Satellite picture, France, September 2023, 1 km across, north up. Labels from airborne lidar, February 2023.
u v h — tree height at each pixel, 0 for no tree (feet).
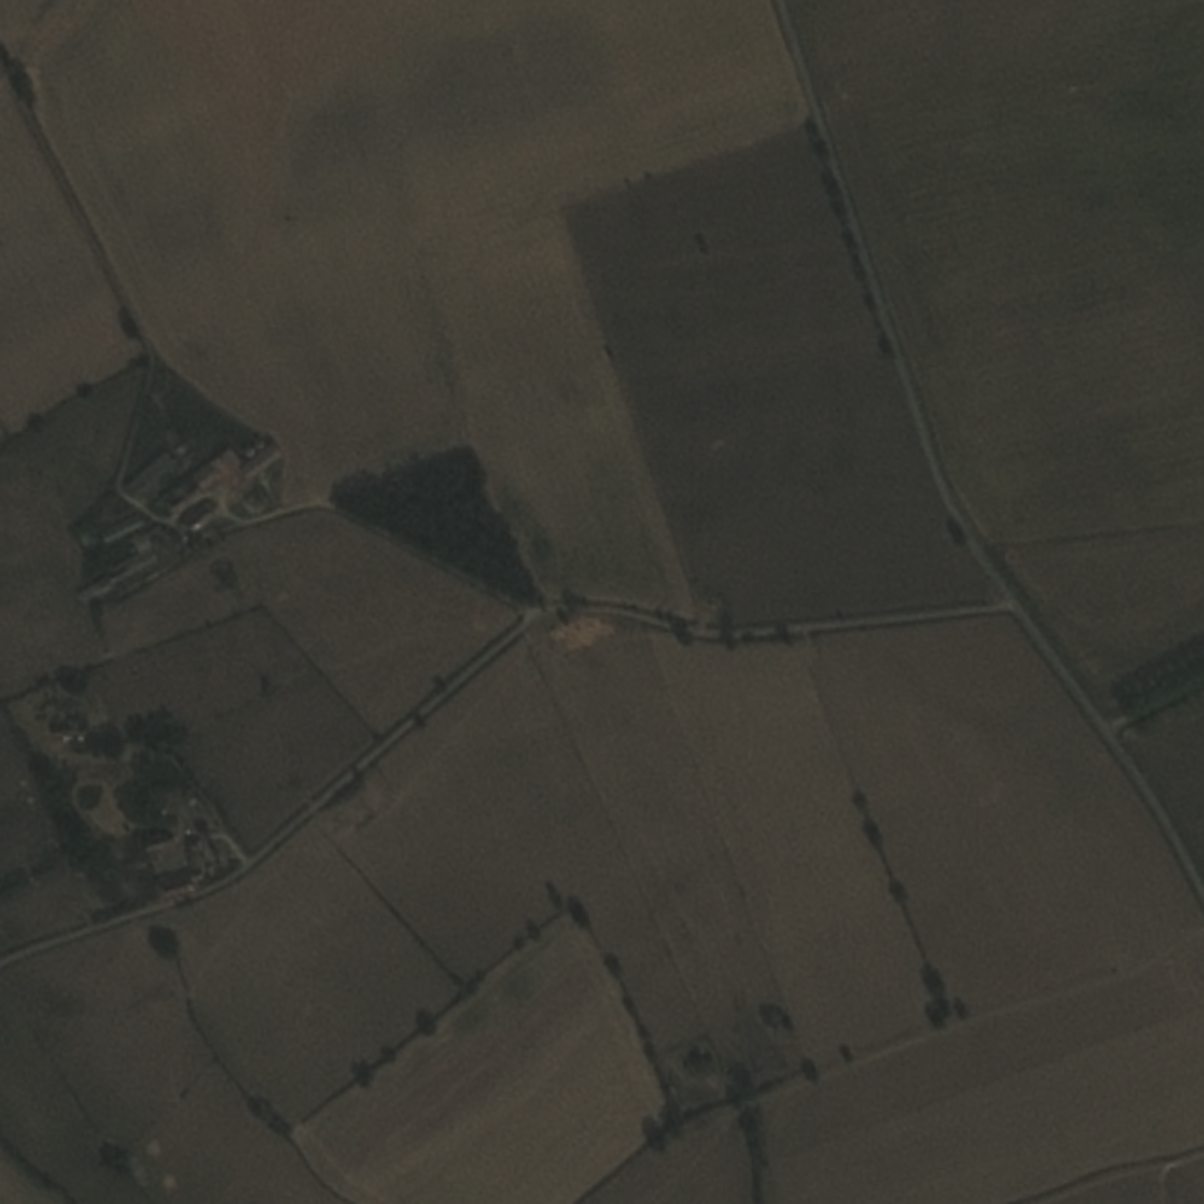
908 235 0
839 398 0
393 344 0
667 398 0
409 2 0
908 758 0
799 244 0
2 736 0
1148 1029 0
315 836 0
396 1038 0
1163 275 0
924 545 0
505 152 0
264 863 0
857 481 0
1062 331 0
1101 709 0
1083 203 0
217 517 0
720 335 0
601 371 0
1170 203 0
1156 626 0
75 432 0
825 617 0
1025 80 0
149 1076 0
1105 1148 0
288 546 0
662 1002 0
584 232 0
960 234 0
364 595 0
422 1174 0
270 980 0
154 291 0
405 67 0
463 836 0
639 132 0
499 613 0
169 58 0
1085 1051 0
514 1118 0
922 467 0
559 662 0
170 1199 0
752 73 0
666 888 0
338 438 0
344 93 0
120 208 0
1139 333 0
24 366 0
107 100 0
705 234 0
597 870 0
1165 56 0
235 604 0
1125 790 0
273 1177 0
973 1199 0
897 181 0
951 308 0
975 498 0
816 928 0
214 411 0
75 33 0
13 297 0
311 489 0
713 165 0
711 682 0
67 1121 0
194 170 0
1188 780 0
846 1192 0
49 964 0
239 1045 0
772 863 0
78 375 0
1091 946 0
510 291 0
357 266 0
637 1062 0
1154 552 0
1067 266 0
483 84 0
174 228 0
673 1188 0
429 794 0
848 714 0
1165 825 0
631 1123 0
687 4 0
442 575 0
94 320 0
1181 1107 0
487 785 0
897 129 0
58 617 0
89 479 0
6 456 0
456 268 0
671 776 0
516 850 0
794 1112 0
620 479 0
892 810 0
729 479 0
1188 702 80
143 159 0
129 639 0
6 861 0
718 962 0
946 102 0
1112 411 0
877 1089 0
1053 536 0
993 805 0
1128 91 0
